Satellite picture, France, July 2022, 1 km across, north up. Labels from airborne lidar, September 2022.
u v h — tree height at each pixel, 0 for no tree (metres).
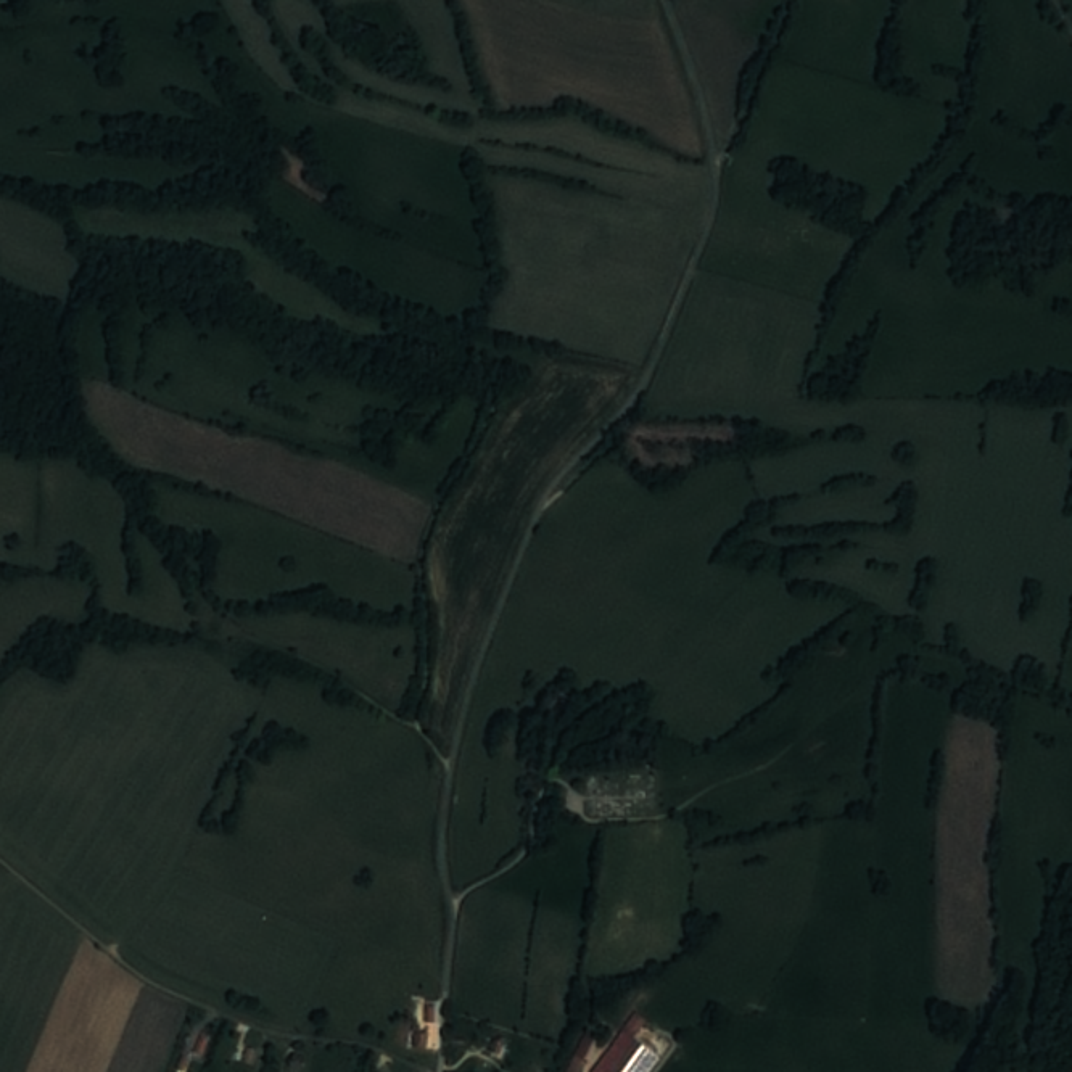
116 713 0
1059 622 0
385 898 0
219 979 0
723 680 0
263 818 0
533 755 13
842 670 0
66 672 18
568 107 12
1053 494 0
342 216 8
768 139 0
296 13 0
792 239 0
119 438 0
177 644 13
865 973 0
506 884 0
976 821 0
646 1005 0
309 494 0
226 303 19
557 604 0
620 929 0
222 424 12
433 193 0
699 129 0
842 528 12
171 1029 0
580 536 0
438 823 0
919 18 0
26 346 11
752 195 0
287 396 0
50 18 0
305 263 21
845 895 0
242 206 18
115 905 0
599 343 0
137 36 0
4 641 0
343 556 0
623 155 0
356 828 0
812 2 0
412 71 15
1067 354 0
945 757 11
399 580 0
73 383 15
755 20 0
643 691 15
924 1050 0
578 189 7
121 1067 0
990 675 10
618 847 0
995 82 0
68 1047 0
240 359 0
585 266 0
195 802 0
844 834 0
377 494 0
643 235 0
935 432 0
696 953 18
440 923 0
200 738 0
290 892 0
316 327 13
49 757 0
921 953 0
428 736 12
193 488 8
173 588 0
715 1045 0
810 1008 0
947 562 0
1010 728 12
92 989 0
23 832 0
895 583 0
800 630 0
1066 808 0
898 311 0
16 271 0
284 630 0
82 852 0
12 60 0
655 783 0
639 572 0
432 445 19
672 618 0
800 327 0
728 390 0
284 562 10
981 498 0
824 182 16
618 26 0
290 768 0
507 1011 0
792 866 0
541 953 0
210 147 10
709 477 0
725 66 0
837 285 16
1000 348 0
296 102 12
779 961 0
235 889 0
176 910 0
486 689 0
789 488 0
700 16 0
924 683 10
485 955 0
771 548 10
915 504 13
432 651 12
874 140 0
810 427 0
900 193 14
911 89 16
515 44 0
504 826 0
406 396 12
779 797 0
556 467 0
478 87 11
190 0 0
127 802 0
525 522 0
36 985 0
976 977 0
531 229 0
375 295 23
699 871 11
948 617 0
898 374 0
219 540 16
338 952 0
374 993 0
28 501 0
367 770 0
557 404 0
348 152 0
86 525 0
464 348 7
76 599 0
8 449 13
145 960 0
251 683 9
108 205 18
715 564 12
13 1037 0
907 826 0
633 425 13
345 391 0
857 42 0
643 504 0
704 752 6
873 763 11
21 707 0
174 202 20
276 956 0
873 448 0
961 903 0
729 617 0
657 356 0
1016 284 17
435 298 0
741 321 0
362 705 10
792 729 0
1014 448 0
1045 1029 18
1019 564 0
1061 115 20
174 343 0
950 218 0
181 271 21
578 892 0
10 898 0
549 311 0
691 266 0
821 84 0
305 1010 0
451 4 14
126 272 14
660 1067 0
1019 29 0
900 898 0
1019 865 0
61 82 0
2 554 0
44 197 16
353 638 0
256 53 0
